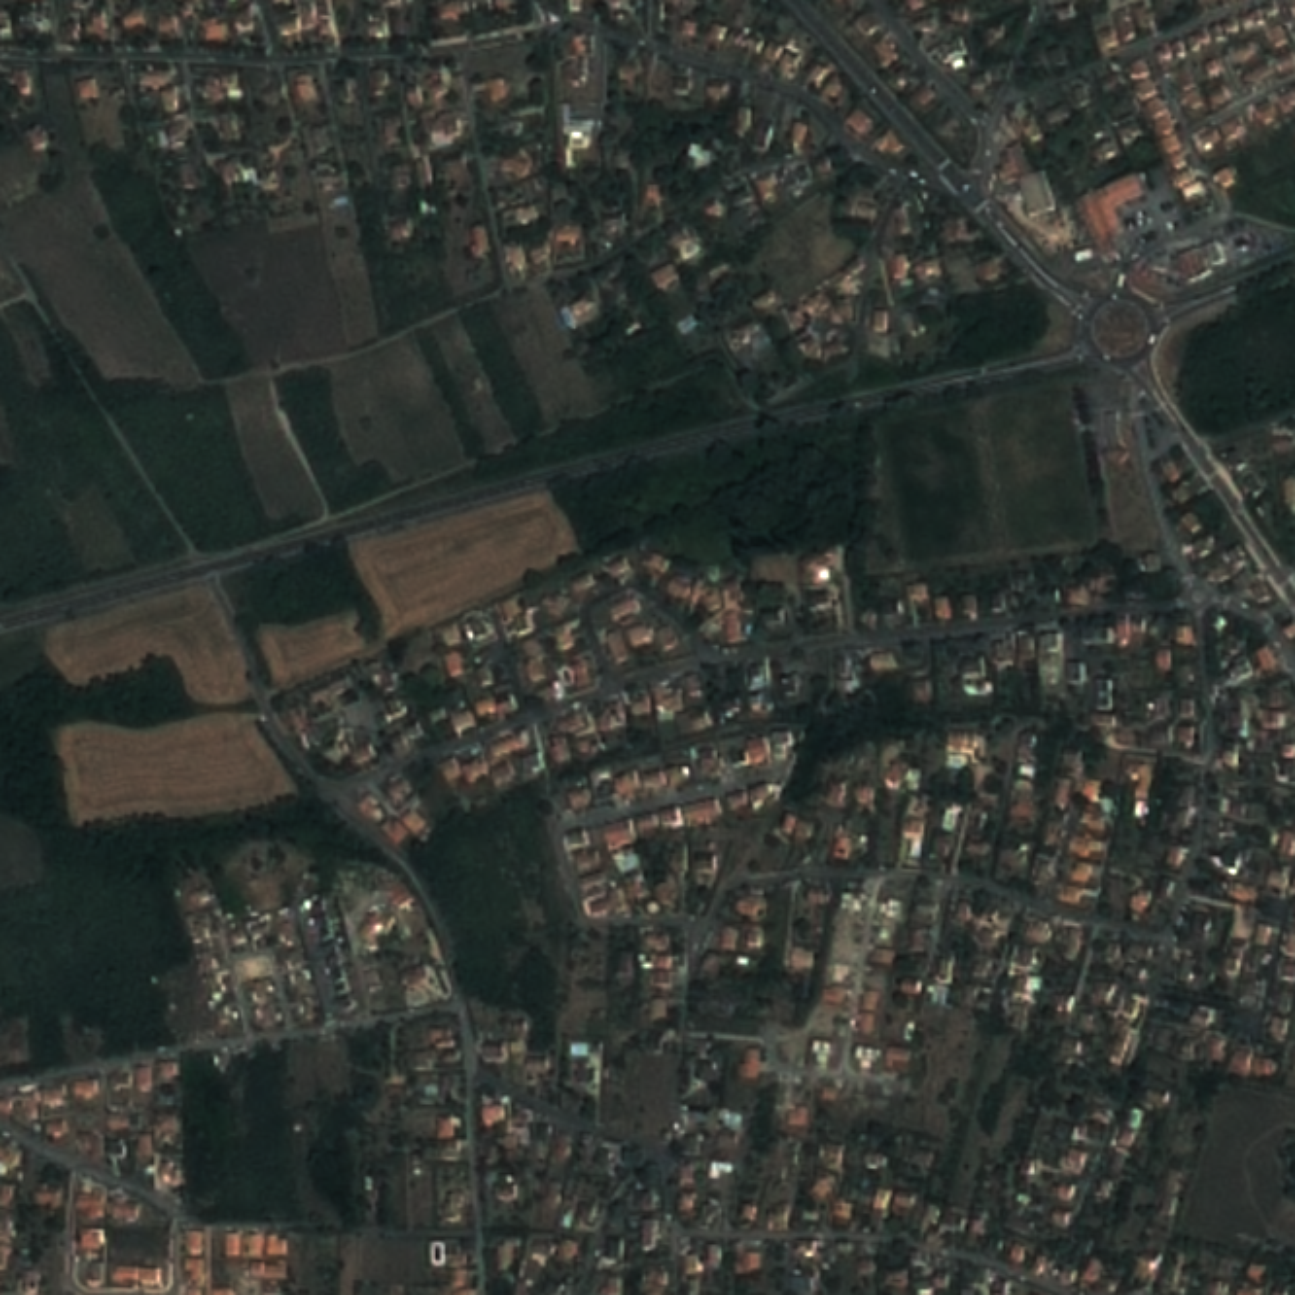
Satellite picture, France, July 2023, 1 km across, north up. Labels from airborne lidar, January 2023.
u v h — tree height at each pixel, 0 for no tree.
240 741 0
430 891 7
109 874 7
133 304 0
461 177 0
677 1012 8
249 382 0
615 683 0
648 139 9
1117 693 6
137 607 0
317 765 7
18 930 6
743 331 0
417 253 6
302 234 0
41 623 0
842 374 0
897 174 0
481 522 0
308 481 0
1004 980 7
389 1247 0
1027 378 7
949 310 10
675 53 0
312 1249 0
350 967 8
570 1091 8
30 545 6
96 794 0
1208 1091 8
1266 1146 0
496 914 0
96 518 0
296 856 0
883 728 13
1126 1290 8
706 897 15
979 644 11
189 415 6
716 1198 6
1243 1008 0
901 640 0
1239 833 6
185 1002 0
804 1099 0
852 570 11
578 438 13
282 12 7
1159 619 12
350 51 10
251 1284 0
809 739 11
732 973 6
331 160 8
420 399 0
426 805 0
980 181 0
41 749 6
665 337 5
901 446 0
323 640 0
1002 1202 6
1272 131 0
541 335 0
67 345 8
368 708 0
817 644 0
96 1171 0
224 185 10
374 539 0
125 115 9
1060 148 7
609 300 8
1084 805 8
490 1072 6
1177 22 8
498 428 0
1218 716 7
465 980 7
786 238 0
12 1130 0
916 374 7
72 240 0
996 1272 0
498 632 0
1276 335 0
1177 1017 7
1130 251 0
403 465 0
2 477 7
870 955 0
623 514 6
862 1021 0
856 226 17
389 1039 7
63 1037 7
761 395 11
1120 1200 10
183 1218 0
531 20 10
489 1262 7
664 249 11
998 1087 6
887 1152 8
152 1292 0
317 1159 12
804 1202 11
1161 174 0
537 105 10
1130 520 0
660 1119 0
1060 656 0
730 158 5
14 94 10
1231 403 6
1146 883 6
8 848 0
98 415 9
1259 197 0
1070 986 0
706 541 0
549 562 0
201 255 0
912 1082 0
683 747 0
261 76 0
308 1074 0
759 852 0
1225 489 0
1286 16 0
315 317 0
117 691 12
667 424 9
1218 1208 0
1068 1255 7
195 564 0
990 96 9
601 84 0
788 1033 0
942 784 10
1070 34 10
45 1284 6
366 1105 12
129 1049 6
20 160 0
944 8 7
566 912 0
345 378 0
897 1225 11
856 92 6
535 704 9
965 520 0
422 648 0
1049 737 7
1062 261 0
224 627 0
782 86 0
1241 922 0
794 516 8
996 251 8
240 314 0
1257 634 6
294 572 8
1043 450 0
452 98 8
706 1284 6
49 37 9
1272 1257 11
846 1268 0
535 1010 10
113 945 7
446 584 0
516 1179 7
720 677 12
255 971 0
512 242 6
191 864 6
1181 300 0
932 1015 0
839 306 0
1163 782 6
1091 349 0
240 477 7
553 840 0
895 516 0
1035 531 0
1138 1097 9
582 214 11
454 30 0
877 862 10
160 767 0
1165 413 0
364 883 0
